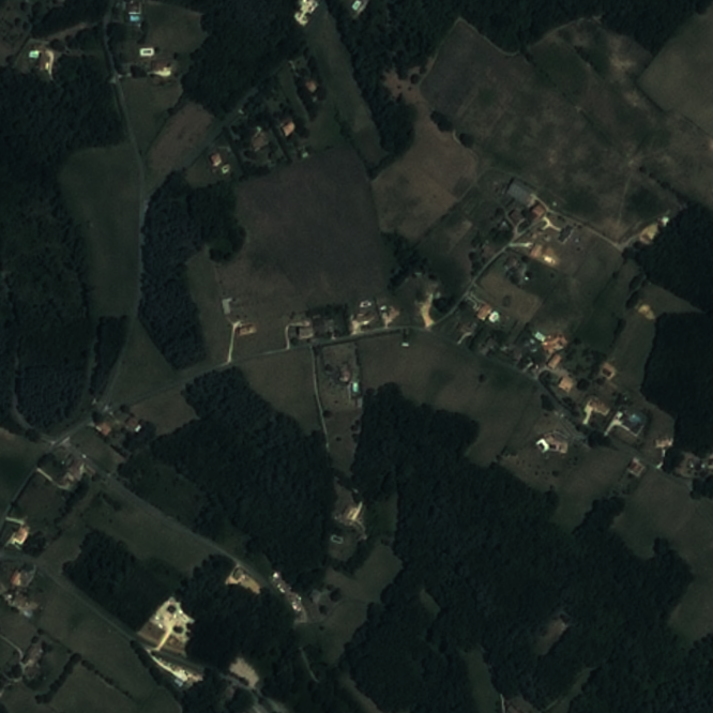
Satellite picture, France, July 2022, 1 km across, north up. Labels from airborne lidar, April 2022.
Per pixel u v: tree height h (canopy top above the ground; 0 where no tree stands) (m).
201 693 21
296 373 0
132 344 0
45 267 16
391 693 18
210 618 14
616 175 0
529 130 0
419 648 20
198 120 0
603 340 0
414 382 0
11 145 26
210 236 13
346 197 0
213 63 16
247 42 18
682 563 16
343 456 0
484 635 18
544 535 16
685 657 10
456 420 19
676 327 13
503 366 0
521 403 0
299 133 10
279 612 20
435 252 0
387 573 0
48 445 0
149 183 0
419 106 0
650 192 0
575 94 0
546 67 0
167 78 0
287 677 24
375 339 0
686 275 15
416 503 11
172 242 17
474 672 0
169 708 0
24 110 15
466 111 0
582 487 0
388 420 10
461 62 0
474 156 0
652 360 12
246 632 24
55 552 0
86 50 15
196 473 19
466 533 20
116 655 0
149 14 0
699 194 0
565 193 0
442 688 25
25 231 0
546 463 0
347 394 0
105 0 15
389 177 0
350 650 17
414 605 22
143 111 0
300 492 18
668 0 15
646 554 0
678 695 21
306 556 18
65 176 0
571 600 23
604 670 18
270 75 12
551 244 0
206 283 0
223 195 11
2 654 0
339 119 11
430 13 19
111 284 0
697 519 0
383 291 0
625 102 0
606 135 0
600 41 0
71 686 0
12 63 12
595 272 0
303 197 0
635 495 0
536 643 19
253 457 21
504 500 16
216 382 16
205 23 15
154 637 0
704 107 0
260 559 0
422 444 23
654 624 10
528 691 21
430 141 0
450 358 0
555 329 0
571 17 13
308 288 0
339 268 0
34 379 19
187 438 18
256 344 0
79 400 17
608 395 0
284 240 0
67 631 0
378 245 0
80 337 8
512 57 0
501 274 0
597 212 0
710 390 15
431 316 0
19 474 0
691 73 0
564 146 0
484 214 0
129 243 0
